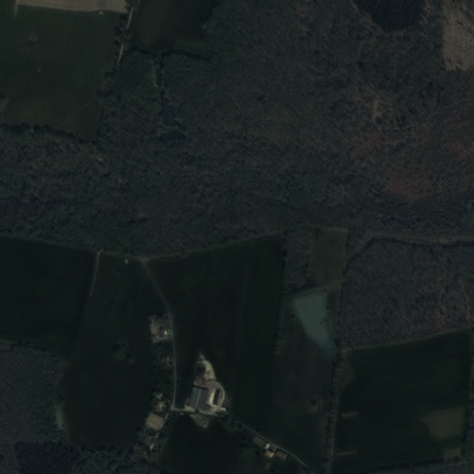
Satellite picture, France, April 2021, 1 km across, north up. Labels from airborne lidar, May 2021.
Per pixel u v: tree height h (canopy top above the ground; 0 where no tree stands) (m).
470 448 16
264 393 0
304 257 10
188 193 18
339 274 0
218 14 19
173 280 0
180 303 0
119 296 0
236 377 0
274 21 17
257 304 0
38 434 14
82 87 0
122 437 0
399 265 14
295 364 0
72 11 0
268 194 21
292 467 0
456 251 15
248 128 14
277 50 15
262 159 26
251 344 0
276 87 17
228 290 0
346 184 22
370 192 16
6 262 0
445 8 17
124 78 19
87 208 15
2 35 0
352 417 0
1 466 18
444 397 0
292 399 0
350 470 0
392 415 0
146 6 0
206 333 0
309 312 0
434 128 7
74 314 0
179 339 0
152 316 10
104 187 22
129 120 18
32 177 19
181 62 19
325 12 16
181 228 17
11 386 16
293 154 23
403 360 0
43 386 17
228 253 0
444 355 0
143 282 0
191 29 0
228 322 0
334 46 17
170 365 7
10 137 28
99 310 0
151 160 22
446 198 7
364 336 13
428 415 0
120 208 19
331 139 18
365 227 14
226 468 0
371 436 0
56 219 18
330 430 9
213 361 0
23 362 13
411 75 10
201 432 0
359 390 0
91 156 12
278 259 0
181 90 18
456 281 13
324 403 0
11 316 0
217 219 14
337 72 23
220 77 16
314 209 19
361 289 12
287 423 0
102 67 0
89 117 0
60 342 0
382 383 0
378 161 15
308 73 19
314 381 0
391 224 20
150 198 17
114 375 0
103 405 0
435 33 8
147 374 0
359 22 12
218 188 16
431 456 0
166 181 20
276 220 20
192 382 0
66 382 0
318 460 0
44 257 0
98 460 9
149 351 0
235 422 8
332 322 0
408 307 11
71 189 17
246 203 14
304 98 20
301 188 19
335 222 13
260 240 0
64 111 0
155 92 20
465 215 16
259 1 18
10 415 16
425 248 11
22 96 0
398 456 0
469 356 0
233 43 20
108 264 0
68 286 0
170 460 0
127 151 21
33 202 11
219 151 17
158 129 15
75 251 0
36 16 0
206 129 14
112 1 0
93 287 0
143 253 18
